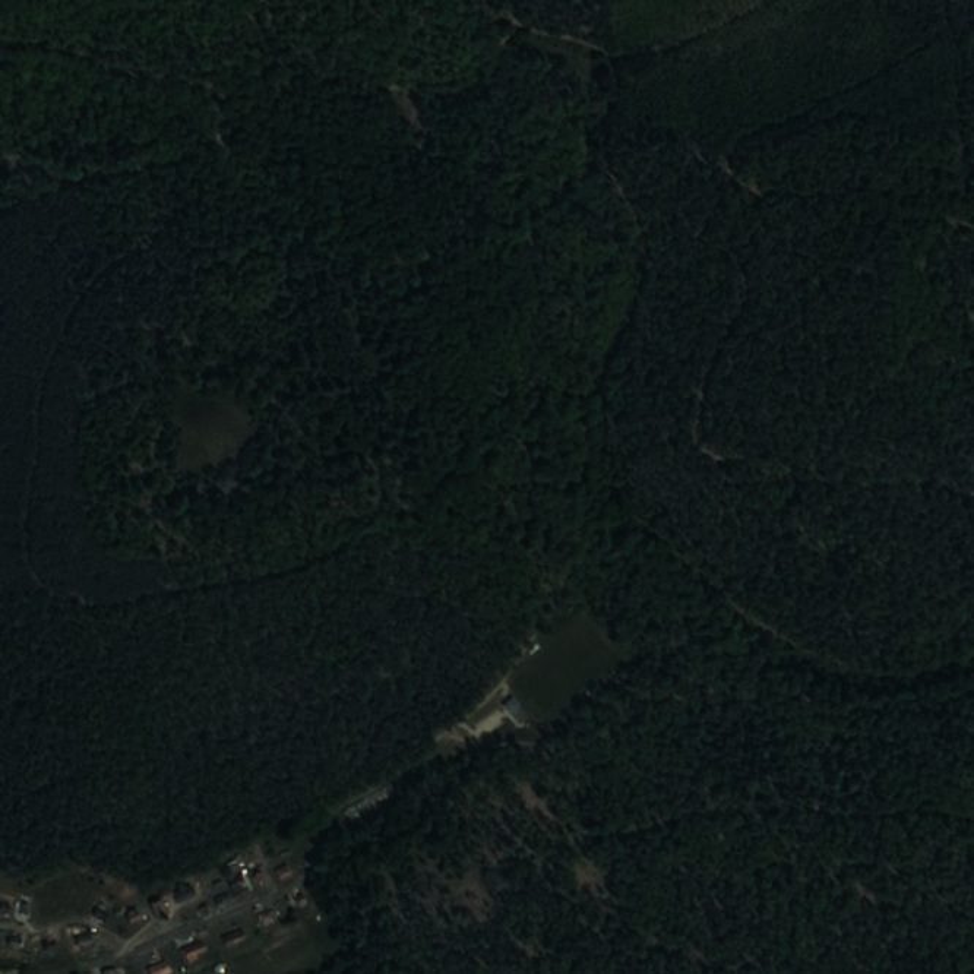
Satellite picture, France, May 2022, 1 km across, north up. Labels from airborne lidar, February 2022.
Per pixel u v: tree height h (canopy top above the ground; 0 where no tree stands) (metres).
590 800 23
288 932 0
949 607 30
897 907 22
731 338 31
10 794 19
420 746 25
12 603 21
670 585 31
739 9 14
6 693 28
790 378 28
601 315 29
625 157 27
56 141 27
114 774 25
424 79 23
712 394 30
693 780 26
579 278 27
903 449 25
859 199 24
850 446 27
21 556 19
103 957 0
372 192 31
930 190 24
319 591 21
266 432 10
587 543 31
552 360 29
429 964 24
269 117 28
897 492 25
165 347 28
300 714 25
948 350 27
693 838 26
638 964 28
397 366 23
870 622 31
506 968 26
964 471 27
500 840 16
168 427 25
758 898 22
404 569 23
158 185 27
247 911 0
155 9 18
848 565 32
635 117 13
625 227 25
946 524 28
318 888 6
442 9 25
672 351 35
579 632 0
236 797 28
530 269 28
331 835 17
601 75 25
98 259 22
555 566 25
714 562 30
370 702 16
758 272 29
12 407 21
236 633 21
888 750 27
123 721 24
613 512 33
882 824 28
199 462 0
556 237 28
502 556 30
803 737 28
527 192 28
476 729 0
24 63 26
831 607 31
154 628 26
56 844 20
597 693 24
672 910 23
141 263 30
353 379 6
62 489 19
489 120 26
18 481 18
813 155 26
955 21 20
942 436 24
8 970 12
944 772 29
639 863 24
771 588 35
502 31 13
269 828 28
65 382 18
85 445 19
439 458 26
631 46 15
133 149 34
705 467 28
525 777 28
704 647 25
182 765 25
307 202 30
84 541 20
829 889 24
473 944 24
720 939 26
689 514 30
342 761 24
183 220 25
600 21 19
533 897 27
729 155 18
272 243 34
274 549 20
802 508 32
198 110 27
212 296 0
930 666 17
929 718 30
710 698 26
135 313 25
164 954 0
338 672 29
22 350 21
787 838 24
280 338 10
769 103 13
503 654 24
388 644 26
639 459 30
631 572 27
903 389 28
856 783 35
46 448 18
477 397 29
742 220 31
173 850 26
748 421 26
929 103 15
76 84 25
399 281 8
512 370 29
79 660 22
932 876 25
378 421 10
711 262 34
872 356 28
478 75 31
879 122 21
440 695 20
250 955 0
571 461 27
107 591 21
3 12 22
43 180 26
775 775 24
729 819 26
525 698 0
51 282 22
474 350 27
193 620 26
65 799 20
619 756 24
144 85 26
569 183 31
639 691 25
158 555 25
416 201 25
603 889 0
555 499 29
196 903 0
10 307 24
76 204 22
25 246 24
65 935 0
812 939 20
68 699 25
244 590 21
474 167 25
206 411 0
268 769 27
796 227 31
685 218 33
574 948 26
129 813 24
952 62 15
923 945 33
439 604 27
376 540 25
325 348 9
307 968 0
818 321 30
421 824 21
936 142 19
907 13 17
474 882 0
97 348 22
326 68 16
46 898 0
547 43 0
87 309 23
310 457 29
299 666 25
